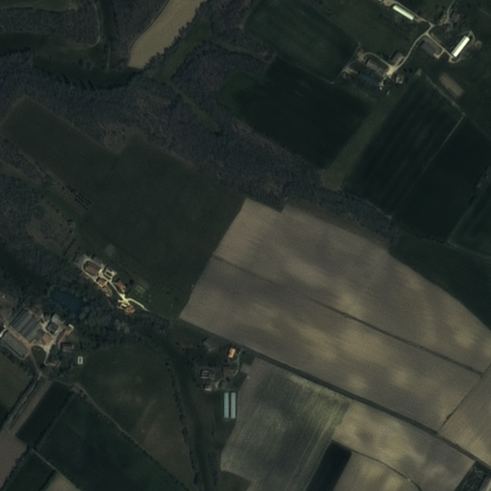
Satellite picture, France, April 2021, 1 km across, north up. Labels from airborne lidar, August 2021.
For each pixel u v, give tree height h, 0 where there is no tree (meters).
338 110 0
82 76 0
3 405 0
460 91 0
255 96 0
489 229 0
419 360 0
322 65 0
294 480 0
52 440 0
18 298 9
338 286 0
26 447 0
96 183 0
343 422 0
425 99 0
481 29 0
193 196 0
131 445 9
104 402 0
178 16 0
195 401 0
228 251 0
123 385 0
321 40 0
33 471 0
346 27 0
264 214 0
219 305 0
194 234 0
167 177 0
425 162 0
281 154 9
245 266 0
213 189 0
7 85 22
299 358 0
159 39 0
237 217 0
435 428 0
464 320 0
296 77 0
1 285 14
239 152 17
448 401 0
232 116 14
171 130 12
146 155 0
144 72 13
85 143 0
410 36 13
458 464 0
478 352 0
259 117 0
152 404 0
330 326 0
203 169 14
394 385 0
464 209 0
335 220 0
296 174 13
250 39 15
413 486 0
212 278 0
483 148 0
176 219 0
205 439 0
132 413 0
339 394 0
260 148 13
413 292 0
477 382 0
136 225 0
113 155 0
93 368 0
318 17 0
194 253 0
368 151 0
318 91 0
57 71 0
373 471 0
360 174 0
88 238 0
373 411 0
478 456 0
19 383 0
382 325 0
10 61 19
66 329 0
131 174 0
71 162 0
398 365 0
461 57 0
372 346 0
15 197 16
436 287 0
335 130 0
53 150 0
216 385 0
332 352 0
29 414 0
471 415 0
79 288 19
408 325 0
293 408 0
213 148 16
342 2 7
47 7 0
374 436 0
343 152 0
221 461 0
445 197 0
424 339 0
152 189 0
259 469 0
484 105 0
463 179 0
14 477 7
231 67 14
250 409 0
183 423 13
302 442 0
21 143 0
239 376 0
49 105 12
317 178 8
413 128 0
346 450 0
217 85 13
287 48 0
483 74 0
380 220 18
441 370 0
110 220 0
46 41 0
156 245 0
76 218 0
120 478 0
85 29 16
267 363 0
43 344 0
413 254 0
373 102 0
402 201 0
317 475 0
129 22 13
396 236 14
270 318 0
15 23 21
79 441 0
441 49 0
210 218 0
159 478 0
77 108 19
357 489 0
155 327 17
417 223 0
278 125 0
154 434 0
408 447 0
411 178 0
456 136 0
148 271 0
